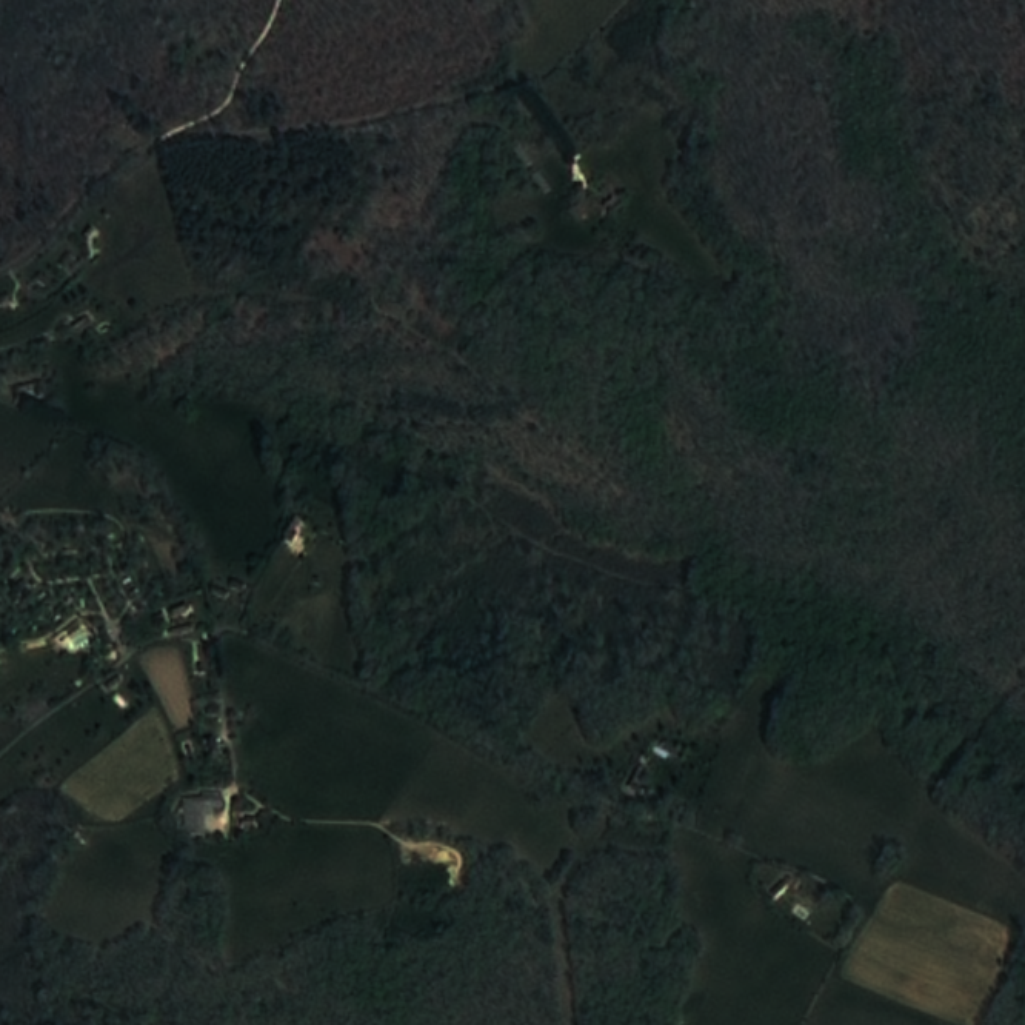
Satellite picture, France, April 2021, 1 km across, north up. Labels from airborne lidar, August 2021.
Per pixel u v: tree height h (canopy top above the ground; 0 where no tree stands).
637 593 7
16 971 13
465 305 17
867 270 17
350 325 17
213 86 10
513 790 0
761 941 0
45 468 0
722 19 15
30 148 16
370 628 22
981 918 0
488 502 23
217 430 0
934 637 19
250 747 0
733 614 17
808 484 20
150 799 0
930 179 13
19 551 11
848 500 20
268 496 0
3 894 13
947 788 17
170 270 0
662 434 13
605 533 23
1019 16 15
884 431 17
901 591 18
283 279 10
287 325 16
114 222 0
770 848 0
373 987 21
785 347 19
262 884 0
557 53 0
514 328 22
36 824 16
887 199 17
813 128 8
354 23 6
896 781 0
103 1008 8
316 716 0
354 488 30
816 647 21
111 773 0
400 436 14
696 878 0
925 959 0
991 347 17
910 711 23
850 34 22
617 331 18
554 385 22
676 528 12
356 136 6
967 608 12
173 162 17
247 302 12
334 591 0
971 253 6
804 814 0
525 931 18
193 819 0
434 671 21
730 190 17
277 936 0
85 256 8
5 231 14
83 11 18
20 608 10
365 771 0
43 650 0
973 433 12
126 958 16
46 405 15
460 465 18
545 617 7
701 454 15
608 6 0
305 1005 20
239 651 0
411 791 0
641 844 9
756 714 0
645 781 12
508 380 15
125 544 9
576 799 16
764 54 14
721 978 0
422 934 7
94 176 7
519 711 12
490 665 13
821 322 14
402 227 7
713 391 19
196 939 20
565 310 15
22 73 12
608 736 25
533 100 17
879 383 14
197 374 14
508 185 15
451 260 16
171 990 23
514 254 18
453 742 6
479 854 15
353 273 12
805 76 13
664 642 21
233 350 17
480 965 20
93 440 10
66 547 14
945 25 13
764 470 19
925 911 0
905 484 16
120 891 0
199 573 10
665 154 0
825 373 17
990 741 13
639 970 16
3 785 0
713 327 18
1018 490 15
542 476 11
